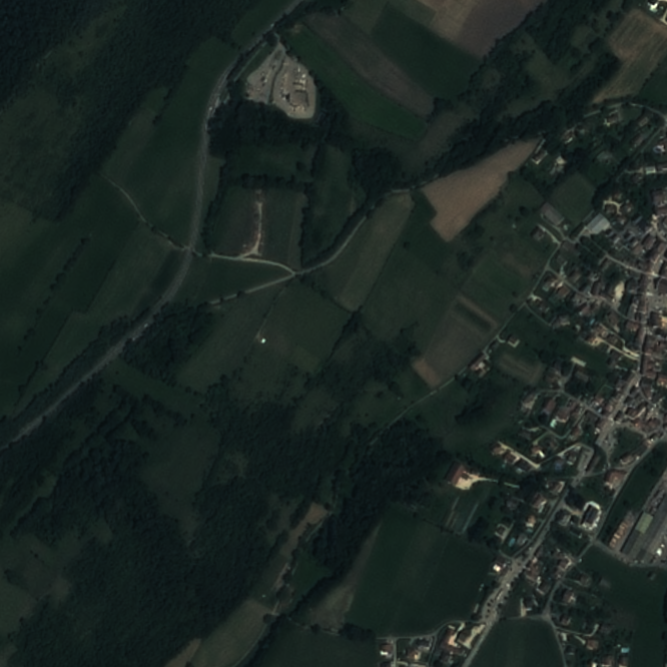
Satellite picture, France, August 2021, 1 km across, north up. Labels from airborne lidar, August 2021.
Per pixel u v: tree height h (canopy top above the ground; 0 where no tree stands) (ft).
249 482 30
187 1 73
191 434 0
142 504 82
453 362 0
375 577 0
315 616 0
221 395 50
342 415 34
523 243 0
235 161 41
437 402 0
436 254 0
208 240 50
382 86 0
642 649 0
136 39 48
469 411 42
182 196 0
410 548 0
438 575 0
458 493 0
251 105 43
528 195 0
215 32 44
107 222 0
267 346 0
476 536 90
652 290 0
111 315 0
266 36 45
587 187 0
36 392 0
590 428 48
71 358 0
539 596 24
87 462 57
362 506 29
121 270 0
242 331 0
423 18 0
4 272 0
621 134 37
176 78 44
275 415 26
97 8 31
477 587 0
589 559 0
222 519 44
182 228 0
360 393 19
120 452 47
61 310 0
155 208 0
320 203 0
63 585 0
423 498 75
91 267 0
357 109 0
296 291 0
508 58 23
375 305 0
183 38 58
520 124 66
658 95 0
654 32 0
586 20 37
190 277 0
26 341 28
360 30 0
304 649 0
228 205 0
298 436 19
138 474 39
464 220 0
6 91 57
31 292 0
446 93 0
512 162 0
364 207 38
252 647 0
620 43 0
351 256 0
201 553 31
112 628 31
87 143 32
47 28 75
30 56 63
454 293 0
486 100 30
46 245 0
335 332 0
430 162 31
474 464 52
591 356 0
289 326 0
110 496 81
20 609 0
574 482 0
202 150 0
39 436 30
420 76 0
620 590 0
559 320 0
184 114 0
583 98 34
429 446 61
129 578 20
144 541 60
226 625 0
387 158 56
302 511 45
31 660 31
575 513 0
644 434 0
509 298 0
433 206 0
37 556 28
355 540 75
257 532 35
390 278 0
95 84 42
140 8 34
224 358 0
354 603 0
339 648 0
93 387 40
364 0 0
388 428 24
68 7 72
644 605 0
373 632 43
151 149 0
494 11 0
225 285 0
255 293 0
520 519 26
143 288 0
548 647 0
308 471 31
